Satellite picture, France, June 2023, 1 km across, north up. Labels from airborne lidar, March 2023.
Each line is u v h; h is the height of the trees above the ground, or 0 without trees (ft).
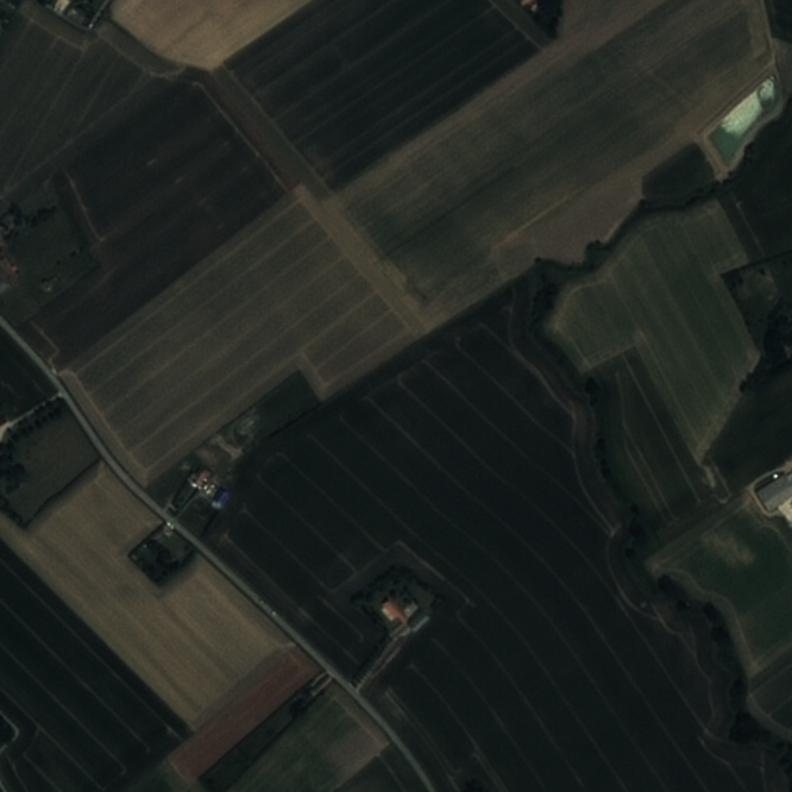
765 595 0
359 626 0
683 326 0
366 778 0
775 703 0
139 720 0
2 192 0
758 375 36
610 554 0
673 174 0
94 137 0
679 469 0
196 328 0
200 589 0
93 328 0
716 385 0
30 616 0
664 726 0
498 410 0
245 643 0
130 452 0
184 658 0
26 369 0
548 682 0
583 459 0
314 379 0
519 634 0
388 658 0
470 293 0
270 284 0
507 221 0
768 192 0
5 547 0
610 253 0
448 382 0
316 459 0
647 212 0
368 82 0
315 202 0
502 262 0
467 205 0
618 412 0
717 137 0
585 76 0
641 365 0
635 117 0
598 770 0
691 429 0
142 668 0
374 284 0
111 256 0
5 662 0
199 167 0
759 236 0
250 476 0
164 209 0
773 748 0
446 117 0
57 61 0
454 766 0
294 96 0
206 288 0
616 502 0
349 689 0
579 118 0
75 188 0
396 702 0
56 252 0
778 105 0
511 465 0
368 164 0
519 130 0
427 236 0
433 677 0
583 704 0
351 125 0
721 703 0
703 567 0
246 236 0
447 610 0
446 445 0
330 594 0
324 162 0
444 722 0
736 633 0
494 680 0
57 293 0
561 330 0
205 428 0
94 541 0
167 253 0
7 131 0
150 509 0
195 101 0
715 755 0
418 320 0
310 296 0
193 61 0
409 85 0
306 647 0
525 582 0
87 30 0
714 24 0
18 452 0
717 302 0
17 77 0
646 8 0
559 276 0
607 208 0
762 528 0
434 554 0
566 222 0
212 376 0
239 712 0
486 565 0
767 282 0
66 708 0
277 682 0
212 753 0
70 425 0
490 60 0
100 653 0
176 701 0
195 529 0
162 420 0
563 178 0
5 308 0
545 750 0
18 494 0
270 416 0
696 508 0
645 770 0
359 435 0
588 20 0
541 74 0
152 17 0
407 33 0
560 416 0
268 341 0
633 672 0
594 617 0
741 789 0
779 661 0
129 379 0
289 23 0
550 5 71
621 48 0
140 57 0
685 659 0
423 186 0
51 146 0
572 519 0
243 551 0
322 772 0
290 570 0
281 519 0
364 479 0
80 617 0
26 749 0
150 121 0
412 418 0
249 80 0
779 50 0
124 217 0
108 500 0
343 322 0
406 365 0
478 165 0
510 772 0
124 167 0
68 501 0
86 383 0
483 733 0
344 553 0
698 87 0
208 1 0
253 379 0
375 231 0
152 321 0
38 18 0
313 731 0
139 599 0
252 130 0
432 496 0
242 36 0
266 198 0
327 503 0
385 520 0
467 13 0
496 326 0
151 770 0
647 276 0
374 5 0
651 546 0
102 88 0
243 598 0
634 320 0
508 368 0
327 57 0
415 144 0
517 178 0
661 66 0
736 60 0
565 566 0
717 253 0
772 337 58
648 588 0
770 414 0
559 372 0
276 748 0
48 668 0
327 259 0
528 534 0
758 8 0
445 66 0
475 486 0
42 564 0
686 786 0
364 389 0
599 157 0
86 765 0
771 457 0
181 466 0
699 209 0
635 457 0
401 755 0
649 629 0
